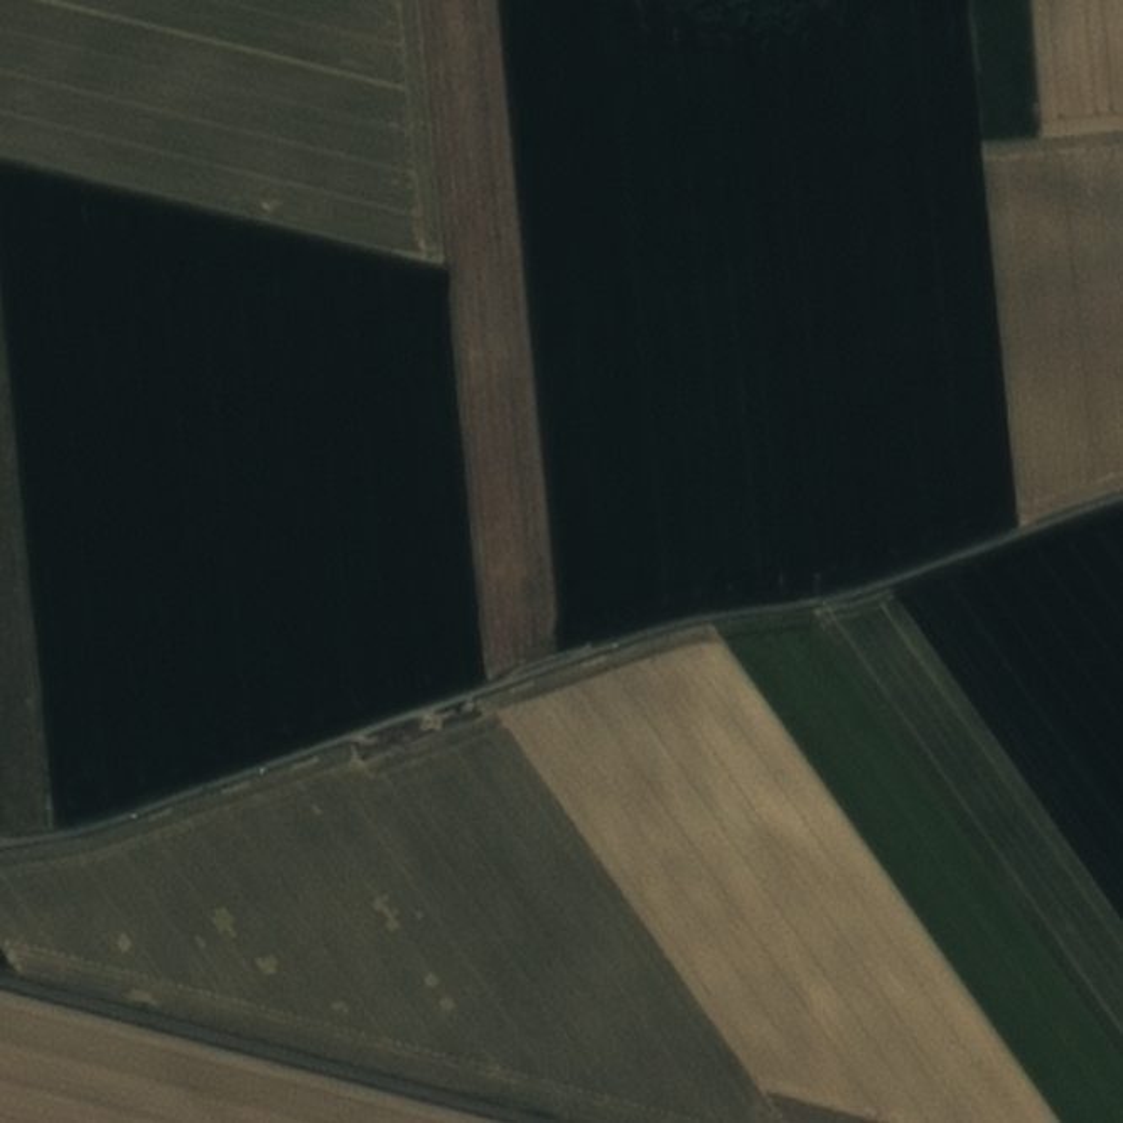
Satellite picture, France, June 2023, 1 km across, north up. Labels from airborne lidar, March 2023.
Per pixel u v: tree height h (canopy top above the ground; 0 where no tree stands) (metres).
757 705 0
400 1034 0
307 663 0
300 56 0
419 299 0
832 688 0
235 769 0
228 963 0
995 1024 0
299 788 0
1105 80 0
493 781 0
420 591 0
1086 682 0
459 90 0
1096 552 0
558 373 0
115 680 0
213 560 0
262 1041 0
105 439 0
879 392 0
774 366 0
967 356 0
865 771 0
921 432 0
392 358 0
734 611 0
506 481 0
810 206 0
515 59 0
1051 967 0
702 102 0
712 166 0
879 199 0
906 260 0
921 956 0
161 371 0
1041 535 0
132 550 0
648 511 0
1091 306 0
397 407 0
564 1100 0
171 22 0
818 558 0
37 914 0
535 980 0
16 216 0
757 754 0
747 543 0
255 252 0
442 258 0
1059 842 0
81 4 0
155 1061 0
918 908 0
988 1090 0
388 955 0
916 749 0
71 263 0
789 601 0
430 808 0
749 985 0
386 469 0
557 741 0
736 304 0
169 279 0
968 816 0
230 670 0
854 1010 0
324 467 0
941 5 0
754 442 0
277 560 0
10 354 0
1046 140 0
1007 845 0
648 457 0
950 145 0
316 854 0
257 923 0
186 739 0
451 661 0
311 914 0
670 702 0
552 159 0
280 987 0
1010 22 0
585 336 0
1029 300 0
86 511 0
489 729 0
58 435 0
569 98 0
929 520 0
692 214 0
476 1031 0
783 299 0
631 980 0
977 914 0
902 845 0
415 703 0
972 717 0
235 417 0
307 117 0
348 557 0
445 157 0
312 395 0
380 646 0
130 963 0
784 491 0
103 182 0
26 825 0
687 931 0
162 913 0
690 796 0
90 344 0
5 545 0
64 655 0
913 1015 0
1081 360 0
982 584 0
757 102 0
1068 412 0
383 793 0
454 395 0
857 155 0
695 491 0
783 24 13
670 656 0
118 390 0
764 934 0
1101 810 0
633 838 0
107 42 0
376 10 0
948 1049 0
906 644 0
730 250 0
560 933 0
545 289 0
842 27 0
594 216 0
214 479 0
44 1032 0
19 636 0
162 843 0
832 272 0
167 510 0
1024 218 0
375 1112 0
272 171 0
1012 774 0
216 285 0
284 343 0
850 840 0
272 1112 0
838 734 0
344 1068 0
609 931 0
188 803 0
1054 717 0
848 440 0
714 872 0
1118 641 0
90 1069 0
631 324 0
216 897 0
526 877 0
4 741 0
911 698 0
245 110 0
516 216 0
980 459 0
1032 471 0
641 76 0
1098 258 0
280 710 0
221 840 0
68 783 0
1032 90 0
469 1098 0
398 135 0
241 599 0
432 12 0
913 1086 0
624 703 0
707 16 9
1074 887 0
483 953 0
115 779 0
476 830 0
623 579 0
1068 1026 0
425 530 0
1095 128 0
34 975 0
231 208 0
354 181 0
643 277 0
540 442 0
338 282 0
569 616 0
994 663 0
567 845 0
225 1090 0
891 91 0
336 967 0
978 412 0
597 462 0
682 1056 0
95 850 0
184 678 0
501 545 0
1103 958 0
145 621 0
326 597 0
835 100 0
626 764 0
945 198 0
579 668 0
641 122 0
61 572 0
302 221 0
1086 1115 0
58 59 0
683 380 0
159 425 0
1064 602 0
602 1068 0
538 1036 0
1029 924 0
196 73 0
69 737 0
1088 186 0
